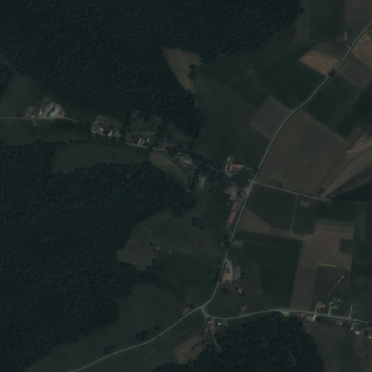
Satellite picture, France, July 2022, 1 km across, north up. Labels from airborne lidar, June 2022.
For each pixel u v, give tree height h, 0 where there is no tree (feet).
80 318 68
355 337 0
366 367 0
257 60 0
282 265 0
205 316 0
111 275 77
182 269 0
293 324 70
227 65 0
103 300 48
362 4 0
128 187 130
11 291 77
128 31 46
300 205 0
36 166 77
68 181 84
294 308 0
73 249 63
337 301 0
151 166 62
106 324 69
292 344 74
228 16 67
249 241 0
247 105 0
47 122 0
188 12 62
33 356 71
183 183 0
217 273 20
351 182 0
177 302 0
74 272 73
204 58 51
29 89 0
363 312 0
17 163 84
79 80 56
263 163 0
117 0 56
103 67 73
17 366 66
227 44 47
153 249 0
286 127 0
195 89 0
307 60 0
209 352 57
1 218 81
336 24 0
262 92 0
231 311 0
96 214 74
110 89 96
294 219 0
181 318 0
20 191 78
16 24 65
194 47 71
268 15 68
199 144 0
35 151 77
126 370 0
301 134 0
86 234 44
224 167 0
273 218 0
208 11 63
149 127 0
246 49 52
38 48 63
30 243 61
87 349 0
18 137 0
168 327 0
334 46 0
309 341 66
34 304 87
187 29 52
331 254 0
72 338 66
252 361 47
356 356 0
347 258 0
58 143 32
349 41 0
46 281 94
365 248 0
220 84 0
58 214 89
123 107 73
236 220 0
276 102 0
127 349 0
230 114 0
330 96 0
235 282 0
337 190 0
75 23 70
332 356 0
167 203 39
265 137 0
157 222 0
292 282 0
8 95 0
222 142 0
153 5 60
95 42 64
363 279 0
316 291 0
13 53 61
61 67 42
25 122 0
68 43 76
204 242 0
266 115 0
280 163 0
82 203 90
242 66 0
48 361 0
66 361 0
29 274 107
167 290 0
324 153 0
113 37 44
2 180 72
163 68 53
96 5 53
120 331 0
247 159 0
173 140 34
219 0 51
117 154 0
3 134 0
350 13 0
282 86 0
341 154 0
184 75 0
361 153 0
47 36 56
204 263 0
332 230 0
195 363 66
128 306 0
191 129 88
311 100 0
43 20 79
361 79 0
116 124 0
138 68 75
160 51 57
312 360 73
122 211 75
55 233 64
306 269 0
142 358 0
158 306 0
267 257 0
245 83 0
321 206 0
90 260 72
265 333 77
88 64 68
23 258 94
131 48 56
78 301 69
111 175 95
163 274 0
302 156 0
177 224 0
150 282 36
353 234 0
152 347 0
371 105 0
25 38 65
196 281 0
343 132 0
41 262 81
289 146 0
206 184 0
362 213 0
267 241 0
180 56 0
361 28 0
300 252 0
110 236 64
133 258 0
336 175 0
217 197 0
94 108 0
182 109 78
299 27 0
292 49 0
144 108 41
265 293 0
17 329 66
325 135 0
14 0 70
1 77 82
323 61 0
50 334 59
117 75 66
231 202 24
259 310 0
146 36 30
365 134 0
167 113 99
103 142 0
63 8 73
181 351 0
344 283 0
